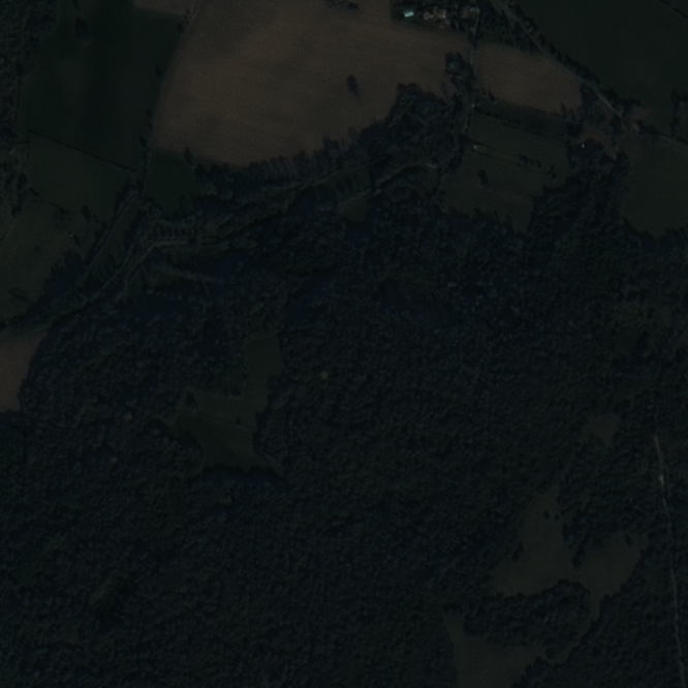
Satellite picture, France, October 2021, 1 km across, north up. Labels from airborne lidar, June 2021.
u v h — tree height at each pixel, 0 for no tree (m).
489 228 10
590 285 8
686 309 8
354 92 14
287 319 18
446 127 12
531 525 0
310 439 7
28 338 0
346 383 7
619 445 6
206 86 0
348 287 20
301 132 0
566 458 6
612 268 7
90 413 9
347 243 24
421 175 10
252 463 0
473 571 23
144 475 20
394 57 0
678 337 11
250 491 29
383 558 15
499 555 17
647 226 0
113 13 0
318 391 8
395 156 19
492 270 14
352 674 15
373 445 16
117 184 0
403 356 15
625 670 7
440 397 8
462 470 13
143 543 6
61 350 10
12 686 14
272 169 0
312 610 11
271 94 0
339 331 19
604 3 0
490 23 14
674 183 0
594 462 12
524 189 0
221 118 0
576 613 19
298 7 0
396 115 7
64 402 18
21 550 14
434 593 20
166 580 17
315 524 19
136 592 15
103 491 18
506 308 12
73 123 0
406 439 6
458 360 25
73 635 0
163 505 8
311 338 21
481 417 13
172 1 0
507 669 0
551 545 0
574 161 14
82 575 7
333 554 17
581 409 7
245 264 14
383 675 10
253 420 0
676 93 0
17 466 13
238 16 0
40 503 6
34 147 0
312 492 10
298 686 12
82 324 9
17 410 0
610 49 0
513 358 19
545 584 0
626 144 0
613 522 10
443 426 21
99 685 8
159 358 25
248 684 7
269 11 0
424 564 17
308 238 22
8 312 0
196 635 20
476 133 0
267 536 16
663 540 12
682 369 12
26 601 12
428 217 17
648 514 18
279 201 17
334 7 12
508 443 17
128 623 16
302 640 9
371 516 23
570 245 12
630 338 0
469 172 0
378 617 18
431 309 0
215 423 0
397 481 12
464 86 15
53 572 9
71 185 0
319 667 15
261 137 0
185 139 0
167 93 0
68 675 9
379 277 21
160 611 7
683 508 18
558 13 0
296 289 11
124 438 23
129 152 0
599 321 20
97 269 0
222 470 0
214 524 22
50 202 0
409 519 28
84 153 0
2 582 7
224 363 24
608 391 14
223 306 29
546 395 11
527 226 0
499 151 0
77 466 18
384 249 17
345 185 0
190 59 0
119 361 14
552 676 7
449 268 20
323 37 0
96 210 0
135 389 10
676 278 12
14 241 0
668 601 7
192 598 20
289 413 7
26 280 0
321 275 6
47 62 0
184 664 13
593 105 22
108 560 11
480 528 12
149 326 28
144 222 9
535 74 0
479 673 0
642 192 0
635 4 0
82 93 0
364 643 13
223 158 0
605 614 13
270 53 0
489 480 15
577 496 6
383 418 13
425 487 9
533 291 14
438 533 14
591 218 10
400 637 9
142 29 0
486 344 21
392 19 0
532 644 9
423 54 0
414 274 16
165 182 0
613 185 17
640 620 7
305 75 0
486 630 13
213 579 15
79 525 18
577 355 21
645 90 0
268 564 13
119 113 0
